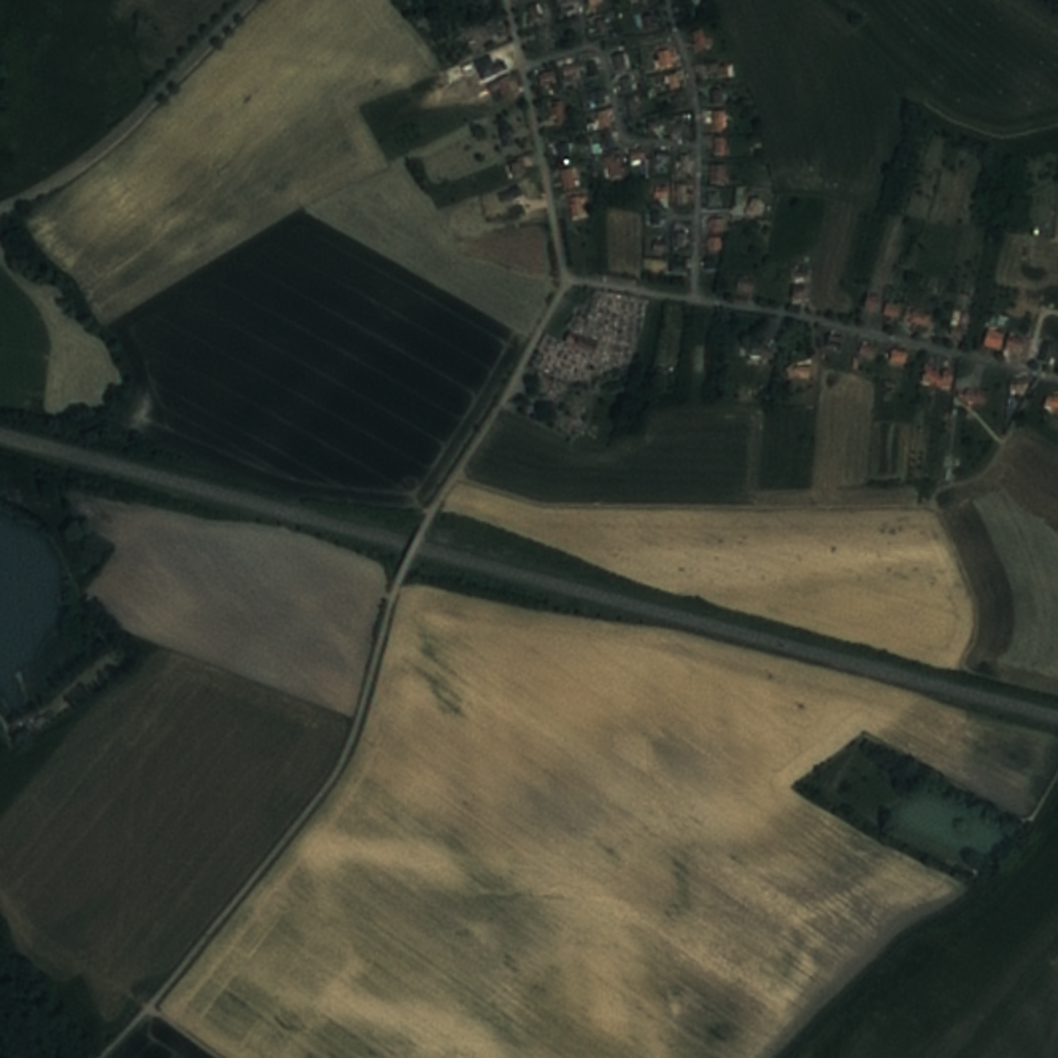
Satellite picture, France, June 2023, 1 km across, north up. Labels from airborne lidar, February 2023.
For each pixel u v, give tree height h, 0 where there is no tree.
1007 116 0
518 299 0
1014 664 0
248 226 0
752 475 0
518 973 0
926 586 0
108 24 0
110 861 0
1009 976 0
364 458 0
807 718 0
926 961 0
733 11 0
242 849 0
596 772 0
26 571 0
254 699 0
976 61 0
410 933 0
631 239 0
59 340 0
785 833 0
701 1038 0
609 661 0
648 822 0
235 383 0
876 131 0
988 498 0
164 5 0
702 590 0
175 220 0
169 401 0
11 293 0
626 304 0
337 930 0
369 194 0
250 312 0
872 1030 0
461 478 0
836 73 0
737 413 0
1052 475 0
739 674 0
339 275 0
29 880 0
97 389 0
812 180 0
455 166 0
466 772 0
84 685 0
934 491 0
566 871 0
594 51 0
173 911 0
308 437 0
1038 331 0
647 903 0
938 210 0
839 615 0
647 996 0
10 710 0
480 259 0
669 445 0
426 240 0
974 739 0
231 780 0
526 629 0
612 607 0
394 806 0
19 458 6
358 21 0
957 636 0
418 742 0
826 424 0
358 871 0
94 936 0
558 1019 0
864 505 0
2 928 15
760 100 0
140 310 0
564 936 0
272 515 0
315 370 0
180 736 0
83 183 0
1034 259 0
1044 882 0
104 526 0
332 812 0
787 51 0
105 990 0
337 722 0
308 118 0
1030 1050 0
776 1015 0
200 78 0
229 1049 0
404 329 0
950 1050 0
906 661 6
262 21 0
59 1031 23
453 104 0
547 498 0
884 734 0
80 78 0
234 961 0
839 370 0
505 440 0
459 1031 0
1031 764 0
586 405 0
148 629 0
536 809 0
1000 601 0
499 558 0
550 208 0
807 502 0
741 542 0
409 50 0
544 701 0
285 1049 0
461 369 0
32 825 0
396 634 0
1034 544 0
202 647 0
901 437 0
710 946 0
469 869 0
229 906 0
